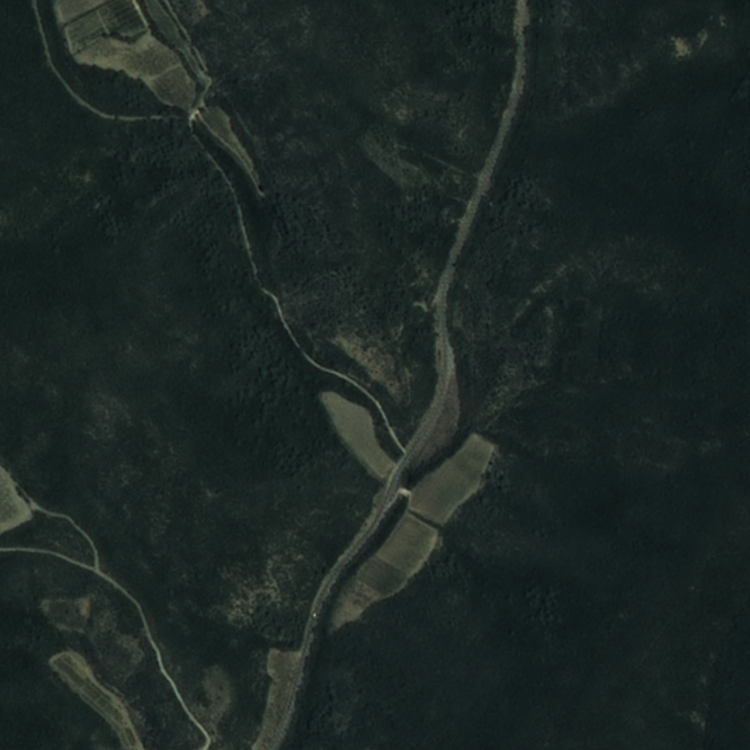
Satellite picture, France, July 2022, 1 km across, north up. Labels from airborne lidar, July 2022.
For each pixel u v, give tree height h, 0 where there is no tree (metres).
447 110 9
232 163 8
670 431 6
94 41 0
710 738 6
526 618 6
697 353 6
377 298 8
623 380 7
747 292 6
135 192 9
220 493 10
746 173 6
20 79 5
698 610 6
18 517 0
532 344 7
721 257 6
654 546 7
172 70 0
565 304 13
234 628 6
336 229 11
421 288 7
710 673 8
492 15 13
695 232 6
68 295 6
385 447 9
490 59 6
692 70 6
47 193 7
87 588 7
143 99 11
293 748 7
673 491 6
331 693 13
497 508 8
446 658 6
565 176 6
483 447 0
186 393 5
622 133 7
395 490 0
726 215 6
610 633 7
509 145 7
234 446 7
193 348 6
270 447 7
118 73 14
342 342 0
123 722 0
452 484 0
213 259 16
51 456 7
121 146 8
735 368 7
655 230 6
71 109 6
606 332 7
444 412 0
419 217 12
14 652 6
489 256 8
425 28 7
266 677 6
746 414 6
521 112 7
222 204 14
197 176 16
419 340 13
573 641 5
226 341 6
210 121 0
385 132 9
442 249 7
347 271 10
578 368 6
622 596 6
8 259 6
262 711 5
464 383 7
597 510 6
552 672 7
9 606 10
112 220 14
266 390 6
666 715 6
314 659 7
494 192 8
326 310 8
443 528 6
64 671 0
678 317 8
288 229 17
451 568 14
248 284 12
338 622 0
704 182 6
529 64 6
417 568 0
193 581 6
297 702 8
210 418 5
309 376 12
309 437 6
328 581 0
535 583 7
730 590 6
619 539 7
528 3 8
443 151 9
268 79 9
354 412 0
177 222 11
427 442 0
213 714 0
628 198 5
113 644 0
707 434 6
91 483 6
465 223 0
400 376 7
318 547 6
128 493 6
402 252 13
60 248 6
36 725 6
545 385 6
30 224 5
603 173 5
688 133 6
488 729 6
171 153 16
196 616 6
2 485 0
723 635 6
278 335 9
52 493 6
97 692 0
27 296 6
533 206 12
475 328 5
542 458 6
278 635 6
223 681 0
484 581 10
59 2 0
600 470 6
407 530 0
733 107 6
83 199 8
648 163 6
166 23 0
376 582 0
